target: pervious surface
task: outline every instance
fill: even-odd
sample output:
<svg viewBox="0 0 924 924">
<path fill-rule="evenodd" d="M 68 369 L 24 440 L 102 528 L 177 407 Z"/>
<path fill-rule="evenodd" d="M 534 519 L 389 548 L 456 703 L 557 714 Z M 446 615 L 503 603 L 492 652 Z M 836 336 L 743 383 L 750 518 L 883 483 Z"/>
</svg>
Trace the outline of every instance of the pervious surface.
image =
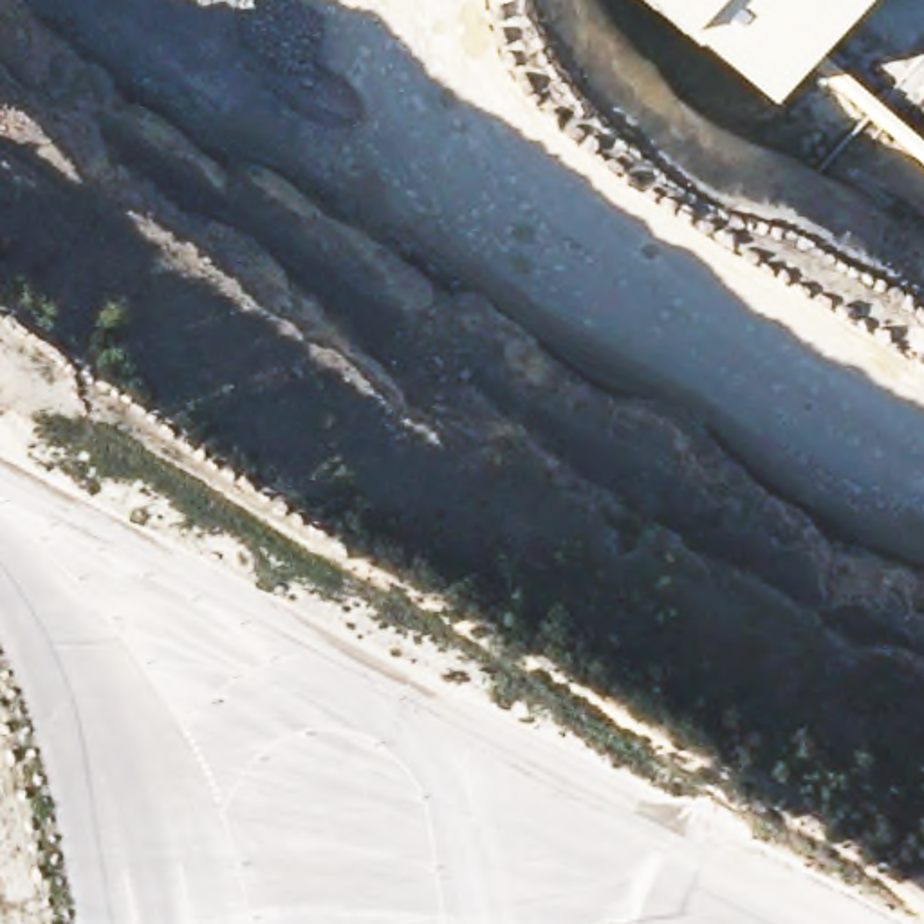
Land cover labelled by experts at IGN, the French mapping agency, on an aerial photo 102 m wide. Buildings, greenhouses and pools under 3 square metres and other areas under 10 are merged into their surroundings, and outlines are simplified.
<svg viewBox="0 0 924 924">
<path fill-rule="evenodd" d="M 155 494 L 141 480 L 108 480 L 97 494 L 83 491 L 72 476 L 61 473 L 65 448 L 54 448 L 36 433 L 32 419 L 40 411 L 130 430 L 159 462 L 184 469 L 209 491 L 224 494 L 231 505 L 242 505 L 245 513 L 253 513 L 278 534 L 292 538 L 307 552 L 318 552 L 332 559 L 339 570 L 347 570 L 343 592 L 328 603 L 314 596 L 314 588 L 300 581 L 296 567 L 274 556 L 271 549 L 249 549 L 231 534 L 184 527 L 184 516 L 170 505 L 170 498 Z M 650 780 L 617 769 L 606 754 L 592 751 L 585 740 L 563 729 L 545 707 L 498 707 L 491 700 L 491 679 L 480 671 L 476 661 L 466 661 L 462 650 L 466 642 L 480 642 L 491 653 L 502 650 L 502 639 L 487 624 L 494 614 L 516 614 L 520 621 L 538 628 L 541 621 L 552 621 L 585 642 L 585 653 L 603 664 L 603 679 L 596 686 L 578 682 L 552 657 L 523 657 L 523 671 L 545 671 L 556 686 L 570 689 L 621 729 L 650 740 L 650 747 L 657 751 Z M 679 693 L 697 693 L 700 700 L 715 693 L 736 697 L 740 722 L 729 725 L 736 762 L 725 769 L 718 758 L 675 744 L 668 729 L 635 718 L 624 704 L 606 697 L 635 668 L 650 668 L 650 679 L 661 679 L 664 693 L 675 686 Z M 783 101 L 772 101 L 725 58 L 718 58 L 711 47 L 700 47 L 646 0 L 0 0 L 0 924 L 924 924 L 924 0 L 877 0 L 805 72 L 805 79 Z"/>
</svg>

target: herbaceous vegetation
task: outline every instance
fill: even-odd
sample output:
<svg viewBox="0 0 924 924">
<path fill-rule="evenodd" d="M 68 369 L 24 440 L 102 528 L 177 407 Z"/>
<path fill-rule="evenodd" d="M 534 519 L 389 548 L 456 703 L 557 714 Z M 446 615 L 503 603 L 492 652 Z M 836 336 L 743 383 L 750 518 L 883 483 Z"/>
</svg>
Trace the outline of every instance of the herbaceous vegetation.
<svg viewBox="0 0 924 924">
<path fill-rule="evenodd" d="M 661 679 L 650 679 L 650 668 L 635 668 L 606 697 L 624 704 L 635 718 L 668 729 L 675 744 L 718 758 L 725 769 L 736 762 L 729 725 L 740 722 L 736 697 L 715 693 L 700 700 L 697 693 L 679 693 L 675 686 L 664 693 Z"/>
<path fill-rule="evenodd" d="M 224 494 L 209 491 L 184 469 L 159 462 L 130 430 L 40 411 L 32 419 L 36 433 L 54 448 L 65 448 L 61 473 L 72 476 L 83 491 L 97 494 L 108 480 L 141 480 L 155 494 L 170 498 L 170 505 L 184 516 L 184 527 L 231 534 L 249 549 L 271 549 L 274 556 L 296 567 L 300 581 L 314 588 L 314 596 L 328 603 L 343 592 L 347 570 L 339 570 L 332 559 L 318 552 L 307 552 L 292 538 L 278 534 L 253 513 L 245 513 L 242 505 L 231 505 Z"/>
<path fill-rule="evenodd" d="M 585 642 L 552 621 L 541 621 L 538 628 L 520 621 L 516 614 L 494 614 L 487 624 L 502 639 L 502 650 L 491 653 L 480 642 L 466 642 L 462 650 L 466 661 L 476 661 L 480 671 L 491 679 L 491 700 L 498 707 L 545 707 L 563 729 L 585 740 L 592 751 L 606 754 L 617 769 L 650 780 L 657 751 L 650 747 L 650 740 L 621 729 L 570 689 L 556 686 L 545 671 L 523 671 L 523 657 L 552 657 L 578 682 L 596 686 L 603 679 L 603 664 L 585 653 Z"/>
</svg>

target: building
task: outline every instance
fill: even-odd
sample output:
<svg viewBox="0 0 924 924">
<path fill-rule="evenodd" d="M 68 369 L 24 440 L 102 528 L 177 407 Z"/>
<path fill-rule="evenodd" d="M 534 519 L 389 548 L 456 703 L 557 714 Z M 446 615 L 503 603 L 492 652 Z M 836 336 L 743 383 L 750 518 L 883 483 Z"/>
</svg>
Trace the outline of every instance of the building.
<svg viewBox="0 0 924 924">
<path fill-rule="evenodd" d="M 700 47 L 711 47 L 718 58 L 725 58 L 772 101 L 783 101 L 805 79 L 805 72 L 877 0 L 646 0 Z"/>
</svg>

